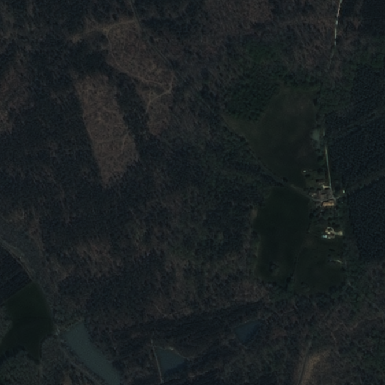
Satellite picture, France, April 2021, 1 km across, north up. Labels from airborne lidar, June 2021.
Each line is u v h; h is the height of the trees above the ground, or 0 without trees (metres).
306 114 0
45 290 18
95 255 14
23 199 24
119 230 22
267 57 15
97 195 25
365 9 13
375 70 19
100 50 9
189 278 16
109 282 23
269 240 0
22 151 21
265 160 0
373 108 16
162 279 10
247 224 14
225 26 14
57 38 11
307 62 16
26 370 26
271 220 0
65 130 20
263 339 21
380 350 12
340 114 22
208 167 9
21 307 0
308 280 0
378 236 15
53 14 17
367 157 18
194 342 9
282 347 13
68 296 23
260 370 20
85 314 7
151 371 12
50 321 0
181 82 14
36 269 15
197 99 14
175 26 16
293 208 0
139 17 11
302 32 17
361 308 18
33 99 9
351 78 18
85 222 23
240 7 8
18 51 19
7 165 21
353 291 19
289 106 0
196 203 21
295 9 13
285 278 0
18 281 15
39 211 21
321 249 0
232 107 8
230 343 9
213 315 9
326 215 14
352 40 8
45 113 20
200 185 21
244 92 6
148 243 25
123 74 7
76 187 23
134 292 19
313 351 11
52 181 19
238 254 10
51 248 22
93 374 12
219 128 19
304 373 0
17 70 19
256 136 0
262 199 16
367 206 14
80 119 0
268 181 18
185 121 15
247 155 21
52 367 19
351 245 14
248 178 16
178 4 20
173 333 9
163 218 15
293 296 20
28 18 14
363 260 16
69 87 0
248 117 6
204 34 15
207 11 10
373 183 6
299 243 0
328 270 0
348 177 18
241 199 18
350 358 15
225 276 9
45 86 19
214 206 15
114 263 13
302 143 0
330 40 14
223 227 20
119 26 0
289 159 0
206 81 21
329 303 21
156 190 22
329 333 11
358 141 18
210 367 19
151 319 19
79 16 22
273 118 0
